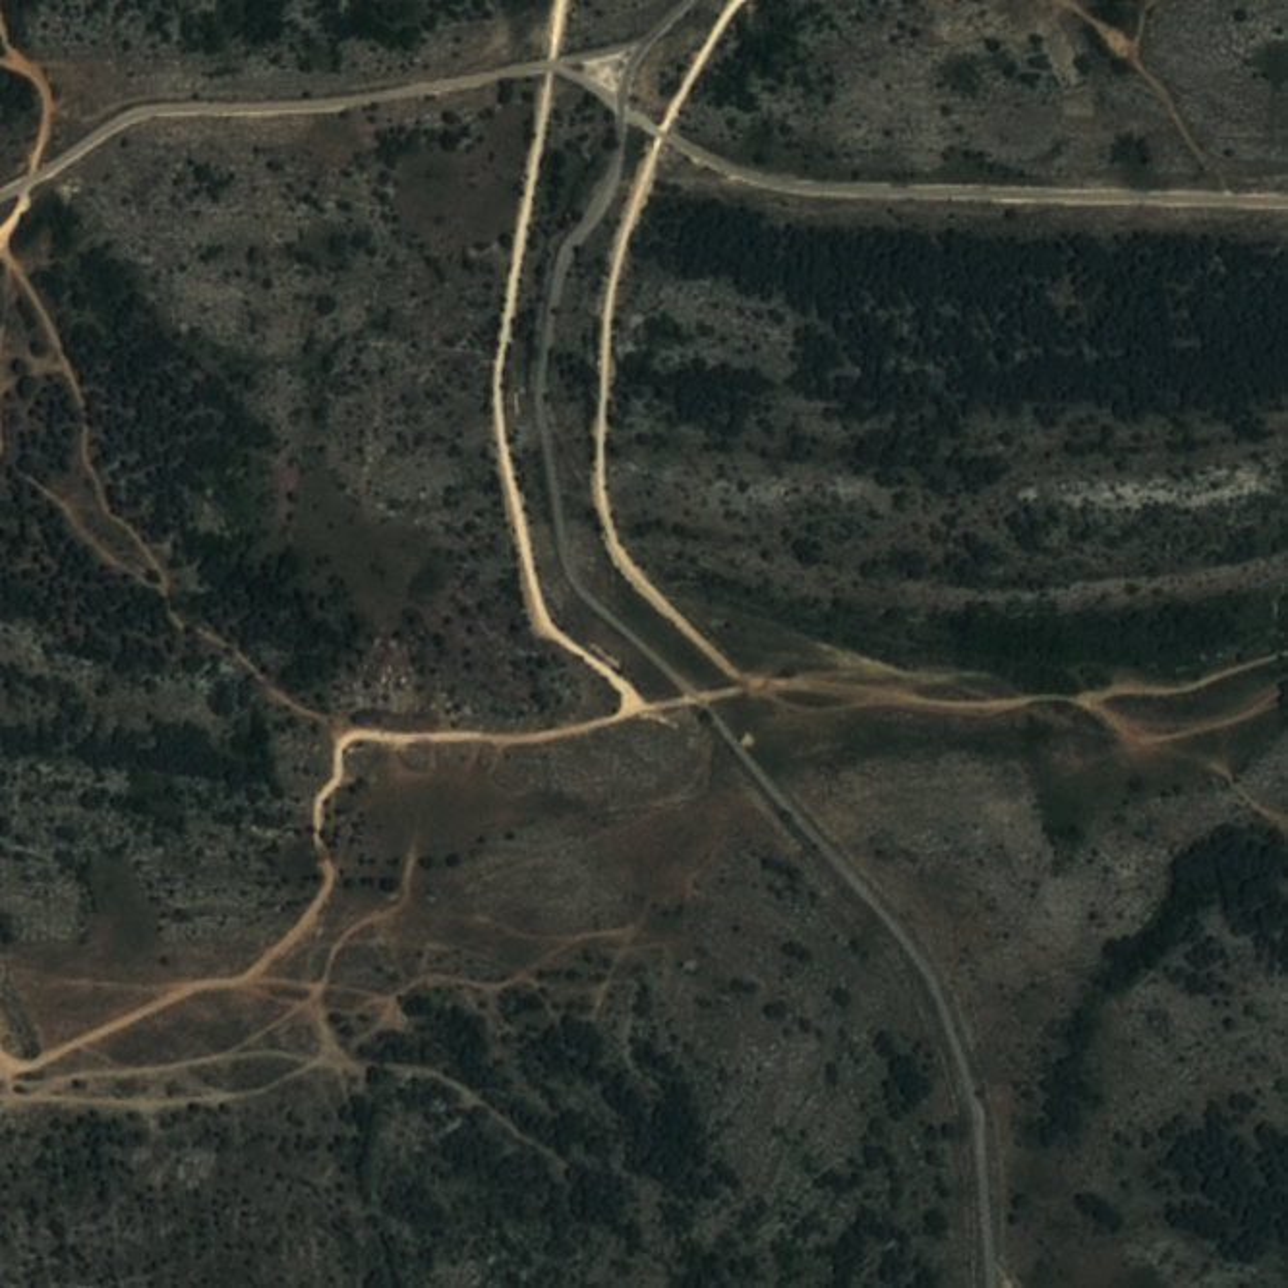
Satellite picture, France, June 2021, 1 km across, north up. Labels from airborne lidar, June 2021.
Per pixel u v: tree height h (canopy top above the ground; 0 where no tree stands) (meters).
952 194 0
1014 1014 0
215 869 0
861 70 0
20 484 16
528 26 0
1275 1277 0
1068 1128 6
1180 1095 0
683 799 0
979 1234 0
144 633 13
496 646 0
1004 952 0
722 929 0
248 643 10
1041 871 0
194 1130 0
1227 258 11
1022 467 0
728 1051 0
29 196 0
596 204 0
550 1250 7
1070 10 0
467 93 0
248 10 8
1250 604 6
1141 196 0
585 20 0
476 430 0
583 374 11
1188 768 0
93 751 13
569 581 0
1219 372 10
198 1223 8
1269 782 0
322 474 0
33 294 0
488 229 0
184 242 0
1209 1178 10
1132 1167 0
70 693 8
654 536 0
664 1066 8
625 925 0
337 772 0
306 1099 0
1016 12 0
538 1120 6
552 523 0
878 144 0
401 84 0
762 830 0
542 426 0
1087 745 0
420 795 0
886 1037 7
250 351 0
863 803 0
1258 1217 9
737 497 0
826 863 0
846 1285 7
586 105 8
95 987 0
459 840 0
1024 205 0
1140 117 0
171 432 12
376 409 0
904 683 0
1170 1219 11
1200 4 0
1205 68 0
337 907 0
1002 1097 0
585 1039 11
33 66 0
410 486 0
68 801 0
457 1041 7
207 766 10
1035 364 10
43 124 0
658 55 0
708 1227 0
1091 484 0
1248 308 7
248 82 0
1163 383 9
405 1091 8
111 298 10
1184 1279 0
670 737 0
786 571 0
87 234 0
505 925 0
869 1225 7
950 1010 0
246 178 0
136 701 0
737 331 0
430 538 0
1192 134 0
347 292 0
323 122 0
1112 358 9
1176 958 0
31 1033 0
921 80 0
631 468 0
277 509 0
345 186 0
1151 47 0
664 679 0
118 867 0
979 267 12
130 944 0
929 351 9
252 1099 0
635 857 0
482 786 0
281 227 0
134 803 6
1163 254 8
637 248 8
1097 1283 0
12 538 12
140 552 0
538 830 0
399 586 0
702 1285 6
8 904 0
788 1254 6
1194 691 0
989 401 9
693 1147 7
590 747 0
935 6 0
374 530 0
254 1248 10
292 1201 0
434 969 0
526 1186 7
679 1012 0
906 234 12
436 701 0
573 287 0
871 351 9
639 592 0
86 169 0
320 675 9
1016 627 6
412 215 0
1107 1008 0
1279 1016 0
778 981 0
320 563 7
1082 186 0
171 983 0
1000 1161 0
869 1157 7
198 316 0
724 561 0
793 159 0
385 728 0
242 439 8
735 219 12
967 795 0
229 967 0
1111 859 0
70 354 9
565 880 0
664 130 0
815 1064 0
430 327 0
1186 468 6
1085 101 0
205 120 0
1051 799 0
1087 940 0
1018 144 0
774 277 8
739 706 0
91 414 13
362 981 0
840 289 8
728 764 0
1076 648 6
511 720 0
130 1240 0
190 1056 0
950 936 0
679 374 8
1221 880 10
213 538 6
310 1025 0
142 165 0
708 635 0
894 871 0
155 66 0
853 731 0
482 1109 6
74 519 0
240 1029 0
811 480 0
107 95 0
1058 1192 0
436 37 0
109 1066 0
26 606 11
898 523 0
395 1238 11
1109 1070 0
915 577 6
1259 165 0
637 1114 7
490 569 0
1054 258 13
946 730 0
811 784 0
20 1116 0
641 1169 8
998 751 0
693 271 7
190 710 0
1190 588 0
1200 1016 0
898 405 6
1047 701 0
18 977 0
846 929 0
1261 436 5
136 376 14
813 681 0
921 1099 9
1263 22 0
